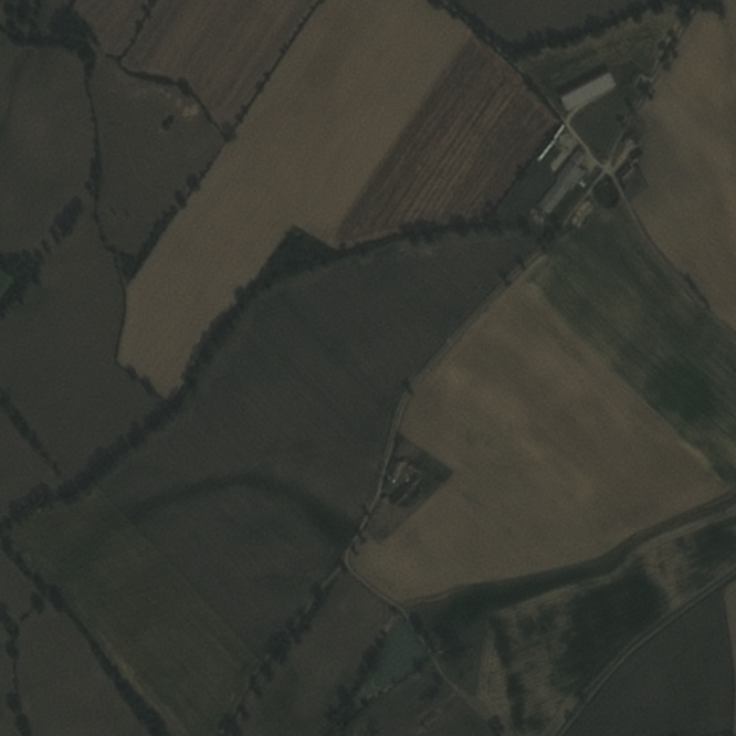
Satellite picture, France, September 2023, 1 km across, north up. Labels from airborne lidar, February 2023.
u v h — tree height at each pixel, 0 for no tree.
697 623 0
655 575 0
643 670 0
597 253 0
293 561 0
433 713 0
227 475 0
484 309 0
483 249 0
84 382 0
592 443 0
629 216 0
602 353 0
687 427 0
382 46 0
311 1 0
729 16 0
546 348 0
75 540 0
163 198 0
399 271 0
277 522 0
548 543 0
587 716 0
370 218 0
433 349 0
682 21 16
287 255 6
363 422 0
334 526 0
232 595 0
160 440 0
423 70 0
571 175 0
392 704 0
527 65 0
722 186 0
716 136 0
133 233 0
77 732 0
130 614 0
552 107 7
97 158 8
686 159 0
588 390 0
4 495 0
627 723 0
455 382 0
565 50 0
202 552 0
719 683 0
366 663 16
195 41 0
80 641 0
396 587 0
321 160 0
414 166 0
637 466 0
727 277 0
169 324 0
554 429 0
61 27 14
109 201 0
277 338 0
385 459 0
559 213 0
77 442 0
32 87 0
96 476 15
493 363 0
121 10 0
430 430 0
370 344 0
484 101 0
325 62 0
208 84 0
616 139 0
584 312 0
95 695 0
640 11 14
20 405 0
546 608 0
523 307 0
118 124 0
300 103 0
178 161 0
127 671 0
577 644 0
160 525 0
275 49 0
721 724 0
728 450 0
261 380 0
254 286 12
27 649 0
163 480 0
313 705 0
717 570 0
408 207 0
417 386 0
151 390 19
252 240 0
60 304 0
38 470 0
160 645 0
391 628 0
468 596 0
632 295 0
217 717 0
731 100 0
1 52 0
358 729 0
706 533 0
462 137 0
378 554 0
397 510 0
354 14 0
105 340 0
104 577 0
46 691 0
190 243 0
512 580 0
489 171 0
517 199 0
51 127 0
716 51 0
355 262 0
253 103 0
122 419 0
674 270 0
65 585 0
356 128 0
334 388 0
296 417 0
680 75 0
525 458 0
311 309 0
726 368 0
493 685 0
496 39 13
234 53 0
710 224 0
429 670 0
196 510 0
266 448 0
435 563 0
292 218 0
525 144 0
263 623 0
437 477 0
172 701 0
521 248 0
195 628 0
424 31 0
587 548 0
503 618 0
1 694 0
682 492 0
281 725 0
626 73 0
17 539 0
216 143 0
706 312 0
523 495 0
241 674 0
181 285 0
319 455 0
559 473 0
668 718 0
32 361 0
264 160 0
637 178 0
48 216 0
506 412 0
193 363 13
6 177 0
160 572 0
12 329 0
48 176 0
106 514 0
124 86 0
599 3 0
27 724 10
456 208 0
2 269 12
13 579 0
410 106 0
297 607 0
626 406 0
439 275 0
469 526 0
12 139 0
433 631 0
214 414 0
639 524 0
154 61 0
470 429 0
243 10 0
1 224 0
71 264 0
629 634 0
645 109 0
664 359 0
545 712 0
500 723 12
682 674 0
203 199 0
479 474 0
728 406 0
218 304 0
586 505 0
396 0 0
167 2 0
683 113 0
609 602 0
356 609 0
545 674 0
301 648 0
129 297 0
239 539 0
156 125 0
